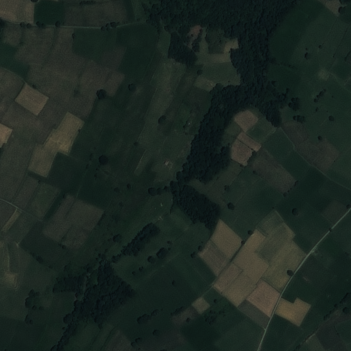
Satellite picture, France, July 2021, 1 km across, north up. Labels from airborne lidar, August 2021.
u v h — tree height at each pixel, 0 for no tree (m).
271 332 0
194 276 0
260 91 14
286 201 0
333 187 0
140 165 0
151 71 0
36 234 0
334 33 0
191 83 0
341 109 0
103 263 23
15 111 0
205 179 23
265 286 0
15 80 0
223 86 6
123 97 0
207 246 0
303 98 0
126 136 0
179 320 0
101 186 0
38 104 0
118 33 0
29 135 0
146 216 0
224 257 0
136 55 0
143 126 0
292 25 0
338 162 0
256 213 0
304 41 0
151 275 0
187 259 0
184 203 20
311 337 0
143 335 0
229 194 0
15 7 0
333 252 0
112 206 0
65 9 0
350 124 0
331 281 0
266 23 27
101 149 0
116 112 0
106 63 0
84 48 0
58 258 0
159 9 12
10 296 0
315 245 0
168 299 0
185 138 0
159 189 12
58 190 0
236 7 20
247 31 24
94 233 0
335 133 0
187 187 16
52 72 0
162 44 0
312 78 0
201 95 0
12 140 0
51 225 0
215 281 0
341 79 0
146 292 0
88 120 0
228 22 20
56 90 0
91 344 0
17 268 0
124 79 0
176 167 0
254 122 0
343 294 0
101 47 0
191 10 17
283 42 0
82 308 22
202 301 0
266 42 14
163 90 0
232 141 0
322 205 0
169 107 0
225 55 0
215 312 7
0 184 0
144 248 21
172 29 15
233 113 7
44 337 0
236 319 0
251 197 0
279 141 0
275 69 0
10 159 0
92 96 0
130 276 0
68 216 0
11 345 0
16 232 0
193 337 0
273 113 21
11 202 0
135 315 0
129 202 0
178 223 0
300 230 0
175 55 13
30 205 0
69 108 0
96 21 0
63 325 0
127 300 9
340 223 0
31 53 0
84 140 0
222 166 15
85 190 0
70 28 0
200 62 0
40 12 0
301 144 0
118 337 0
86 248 0
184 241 0
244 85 19
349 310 14
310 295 0
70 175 0
